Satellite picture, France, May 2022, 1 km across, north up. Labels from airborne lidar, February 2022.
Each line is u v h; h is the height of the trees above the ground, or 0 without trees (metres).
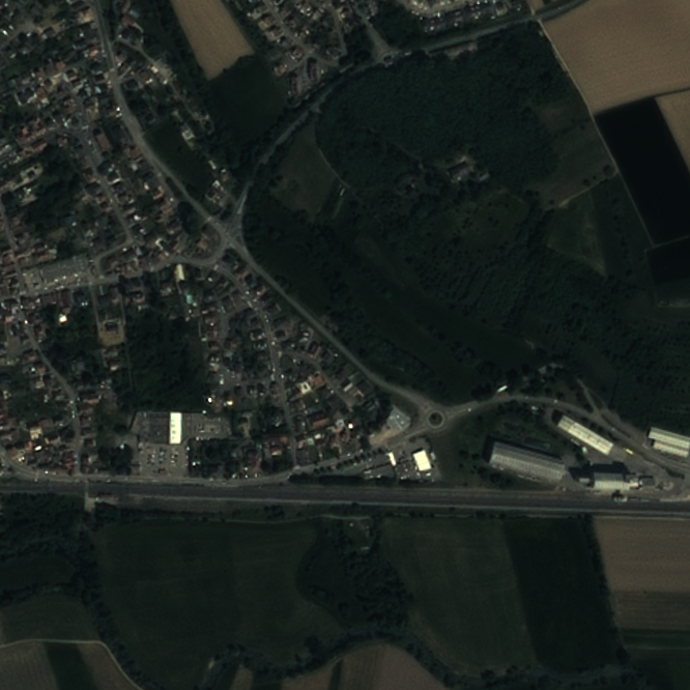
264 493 0
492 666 0
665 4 0
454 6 0
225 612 0
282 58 0
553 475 0
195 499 0
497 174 13
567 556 0
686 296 0
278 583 0
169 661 0
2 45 0
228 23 0
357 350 0
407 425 0
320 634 0
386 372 0
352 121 20
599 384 0
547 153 13
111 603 0
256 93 0
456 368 0
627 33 0
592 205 0
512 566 0
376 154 28
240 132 0
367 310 0
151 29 0
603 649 0
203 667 0
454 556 0
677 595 0
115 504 0
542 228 10
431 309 0
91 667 0
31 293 0
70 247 7
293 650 0
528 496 0
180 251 0
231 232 0
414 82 22
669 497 0
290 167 0
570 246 0
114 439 0
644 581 0
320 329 0
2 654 0
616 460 0
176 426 0
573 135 0
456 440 0
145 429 0
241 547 0
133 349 12
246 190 0
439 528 0
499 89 22
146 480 0
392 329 0
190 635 0
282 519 17
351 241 0
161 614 0
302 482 12
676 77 0
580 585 0
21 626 0
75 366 0
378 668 0
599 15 0
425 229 23
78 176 11
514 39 26
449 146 23
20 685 0
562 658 0
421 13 0
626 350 6
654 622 0
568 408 0
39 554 6
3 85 0
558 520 0
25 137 0
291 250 0
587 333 9
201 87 15
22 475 0
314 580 0
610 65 0
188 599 0
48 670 0
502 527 0
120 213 0
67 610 0
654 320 0
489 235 0
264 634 0
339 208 0
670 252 0
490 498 0
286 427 10
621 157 0
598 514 0
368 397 8
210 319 0
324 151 10
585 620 0
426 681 0
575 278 8
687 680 0
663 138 0
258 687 0
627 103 0
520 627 0
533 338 0
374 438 0
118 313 0
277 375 0
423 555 0
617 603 0
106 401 0
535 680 0
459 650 0
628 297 8
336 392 0
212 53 0
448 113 22
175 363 0
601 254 0
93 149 0
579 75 0
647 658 0
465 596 0
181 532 0
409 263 12
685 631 0
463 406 0
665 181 0
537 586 0
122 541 0
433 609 0
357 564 15
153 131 0
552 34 0
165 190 0
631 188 0
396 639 12
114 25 11
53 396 0
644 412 6
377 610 10
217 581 0
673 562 0
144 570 0
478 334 0
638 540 0
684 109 0
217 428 0
